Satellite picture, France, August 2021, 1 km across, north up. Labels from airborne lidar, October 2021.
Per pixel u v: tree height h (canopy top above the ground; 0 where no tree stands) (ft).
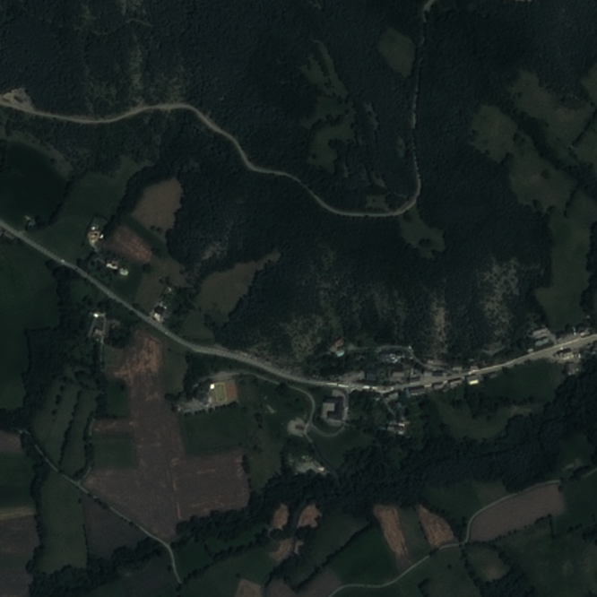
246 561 0
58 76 36
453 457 32
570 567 0
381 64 31
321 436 0
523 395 0
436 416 0
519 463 55
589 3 34
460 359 33
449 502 0
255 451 27
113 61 21
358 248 37
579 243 0
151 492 0
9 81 25
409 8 61
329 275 20
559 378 0
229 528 47
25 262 0
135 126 27
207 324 27
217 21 48
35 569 69
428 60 50
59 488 0
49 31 40
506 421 0
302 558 59
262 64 41
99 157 32
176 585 0
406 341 21
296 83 47
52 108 30
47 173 0
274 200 51
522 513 0
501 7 53
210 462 0
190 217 34
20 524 0
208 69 34
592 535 41
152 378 0
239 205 26
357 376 0
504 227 53
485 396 28
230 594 0
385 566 0
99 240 23
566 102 40
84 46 23
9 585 0
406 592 0
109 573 35
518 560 0
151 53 30
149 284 0
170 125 37
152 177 67
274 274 41
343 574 0
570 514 0
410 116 27
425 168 47
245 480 0
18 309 0
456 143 32
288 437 0
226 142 27
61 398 39
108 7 32
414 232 0
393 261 41
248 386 0
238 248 37
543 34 35
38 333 43
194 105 36
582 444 0
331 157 0
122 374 0
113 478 0
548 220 64
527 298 39
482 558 0
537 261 30
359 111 44
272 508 65
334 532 0
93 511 0
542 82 33
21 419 42
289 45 45
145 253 0
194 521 52
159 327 0
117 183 0
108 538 0
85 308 27
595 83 0
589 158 0
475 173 53
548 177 0
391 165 41
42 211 0
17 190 0
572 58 39
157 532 0
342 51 43
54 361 80
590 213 0
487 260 31
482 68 66
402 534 0
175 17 36
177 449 0
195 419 0
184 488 0
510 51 59
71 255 0
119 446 0
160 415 0
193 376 30
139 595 0
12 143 0
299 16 45
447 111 53
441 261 29
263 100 30
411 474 65
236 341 20
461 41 69
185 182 42
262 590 0
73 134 30
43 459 93
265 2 46
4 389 0
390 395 0
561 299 0
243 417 0
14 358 0
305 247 19
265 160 29
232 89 35
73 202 0
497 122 0
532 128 54
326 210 30
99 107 27
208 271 28
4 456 0
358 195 55
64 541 0
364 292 21
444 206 39
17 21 45
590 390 80
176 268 0
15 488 0
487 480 37
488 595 46
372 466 53
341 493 45
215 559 33
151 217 0
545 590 0
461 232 40
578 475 46
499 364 0
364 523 0
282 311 21
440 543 0
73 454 0
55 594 31
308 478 34
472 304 27
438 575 0
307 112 47
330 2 50
